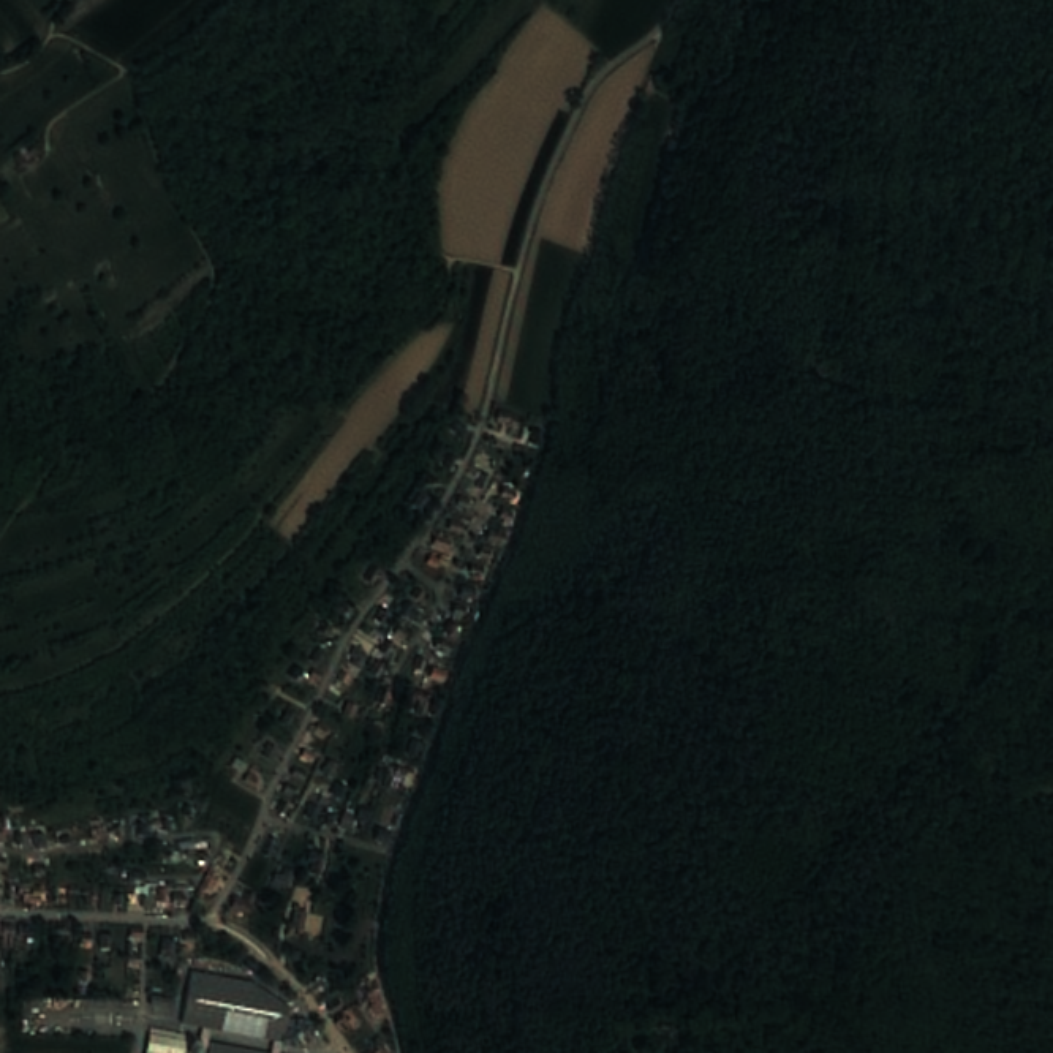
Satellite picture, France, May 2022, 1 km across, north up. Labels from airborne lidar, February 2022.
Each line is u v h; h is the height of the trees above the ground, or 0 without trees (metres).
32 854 0
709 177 22
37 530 0
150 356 0
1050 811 20
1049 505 14
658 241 22
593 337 15
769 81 25
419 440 8
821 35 26
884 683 18
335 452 0
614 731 23
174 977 11
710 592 22
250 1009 0
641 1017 20
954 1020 20
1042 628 26
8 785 7
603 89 0
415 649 0
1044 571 20
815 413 16
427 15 12
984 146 24
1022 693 25
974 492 15
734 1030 21
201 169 23
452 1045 17
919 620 11
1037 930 26
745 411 21
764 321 22
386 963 0
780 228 25
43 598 0
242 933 0
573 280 0
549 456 5
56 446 11
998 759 18
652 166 0
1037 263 0
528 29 0
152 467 12
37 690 6
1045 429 21
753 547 20
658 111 0
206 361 14
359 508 7
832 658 17
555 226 0
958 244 24
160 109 19
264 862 0
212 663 10
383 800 0
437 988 20
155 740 8
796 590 20
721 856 21
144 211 0
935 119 23
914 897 24
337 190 20
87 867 7
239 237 14
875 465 23
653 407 16
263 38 18
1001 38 26
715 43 8
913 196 15
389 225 11
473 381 0
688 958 23
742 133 24
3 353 9
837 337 23
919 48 25
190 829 0
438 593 0
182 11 0
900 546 22
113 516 6
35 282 0
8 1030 0
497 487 0
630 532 22
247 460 16
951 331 27
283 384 13
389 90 24
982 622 24
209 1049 0
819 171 25
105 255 0
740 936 21
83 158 0
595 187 0
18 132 0
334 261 19
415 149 17
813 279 23
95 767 12
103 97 0
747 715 22
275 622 17
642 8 0
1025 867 25
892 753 15
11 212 0
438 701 10
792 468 16
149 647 7
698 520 26
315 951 0
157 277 0
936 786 21
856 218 24
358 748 0
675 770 19
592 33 0
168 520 6
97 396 17
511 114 0
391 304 14
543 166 0
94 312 9
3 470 9
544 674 22
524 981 16
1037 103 26
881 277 21
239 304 11
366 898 0
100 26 0
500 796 23
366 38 19
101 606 0
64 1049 0
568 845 21
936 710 25
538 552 0
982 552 23
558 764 20
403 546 7
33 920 10
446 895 24
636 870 24
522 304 0
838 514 17
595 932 21
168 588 8
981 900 21
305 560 7
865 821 23
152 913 0
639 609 23
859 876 22
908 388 0
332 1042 0
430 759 0
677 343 25
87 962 0
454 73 0
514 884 24
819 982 25
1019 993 25
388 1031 11
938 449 21
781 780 23
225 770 0
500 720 21
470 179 0
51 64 0
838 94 25
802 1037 19
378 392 0
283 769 0
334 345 9
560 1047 14
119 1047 0
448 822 26
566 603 22
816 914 22
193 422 9
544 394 0
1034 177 20
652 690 25
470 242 0
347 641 0
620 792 24
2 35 0
